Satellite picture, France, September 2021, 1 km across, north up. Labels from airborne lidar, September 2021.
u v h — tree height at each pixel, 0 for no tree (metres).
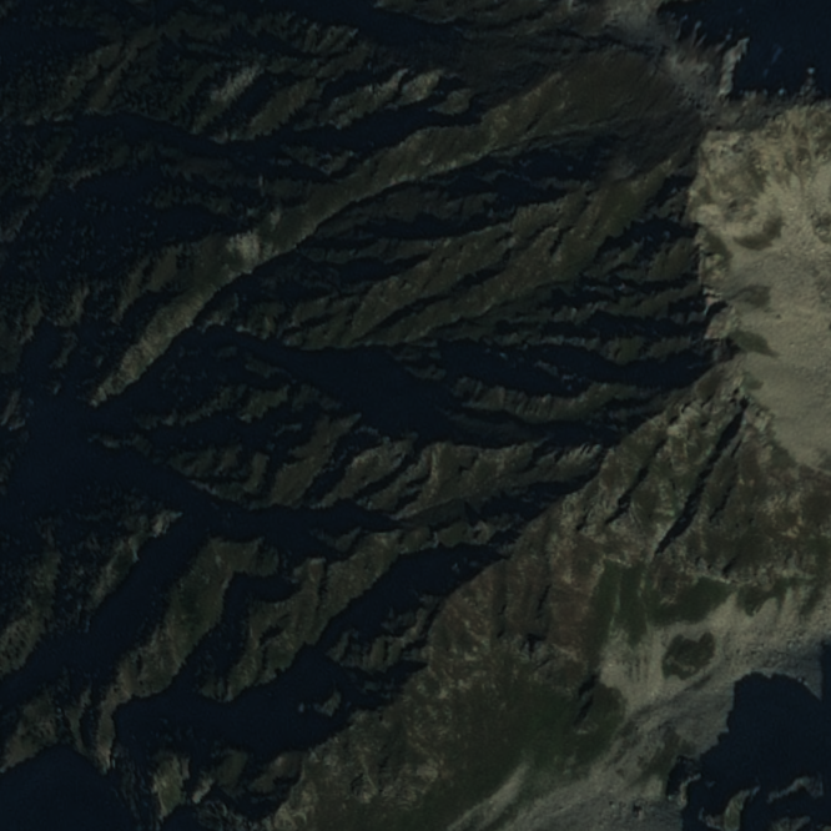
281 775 0
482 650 0
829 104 0
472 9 0
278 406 0
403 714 0
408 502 0
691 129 0
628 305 0
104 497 13
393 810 0
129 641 7
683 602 0
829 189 0
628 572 0
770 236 0
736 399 0
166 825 0
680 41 0
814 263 0
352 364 0
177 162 0
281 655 0
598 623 0
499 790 0
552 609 0
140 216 8
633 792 0
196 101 9
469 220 0
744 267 0
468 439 0
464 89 0
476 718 0
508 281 0
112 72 0
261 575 0
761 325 0
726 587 0
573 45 0
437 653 0
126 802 0
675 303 0
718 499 0
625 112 0
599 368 0
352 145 0
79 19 0
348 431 0
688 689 0
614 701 0
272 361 0
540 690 0
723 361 0
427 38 0
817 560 0
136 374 0
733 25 0
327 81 0
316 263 0
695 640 0
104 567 8
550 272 0
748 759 0
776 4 0
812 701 0
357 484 0
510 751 0
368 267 0
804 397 0
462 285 0
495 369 0
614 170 0
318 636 0
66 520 7
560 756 0
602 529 0
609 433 0
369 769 0
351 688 0
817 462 0
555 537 0
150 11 0
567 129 0
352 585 0
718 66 0
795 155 0
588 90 0
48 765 0
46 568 0
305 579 0
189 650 0
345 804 0
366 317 0
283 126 0
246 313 12
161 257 12
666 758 0
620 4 0
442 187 0
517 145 0
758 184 0
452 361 0
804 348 0
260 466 0
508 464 0
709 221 0
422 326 0
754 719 0
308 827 0
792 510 0
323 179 0
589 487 0
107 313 7
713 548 0
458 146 0
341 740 0
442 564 0
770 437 0
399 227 0
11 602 13
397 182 0
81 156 10
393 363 0
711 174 0
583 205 0
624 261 0
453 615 0
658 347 0
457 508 0
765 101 0
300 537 0
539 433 0
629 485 0
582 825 0
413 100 0
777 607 0
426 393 0
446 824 0
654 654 0
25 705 10
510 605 0
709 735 0
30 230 12
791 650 0
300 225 0
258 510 0
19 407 0
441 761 0
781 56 0
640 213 0
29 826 6
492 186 0
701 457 0
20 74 9
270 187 9
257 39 0
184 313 0
